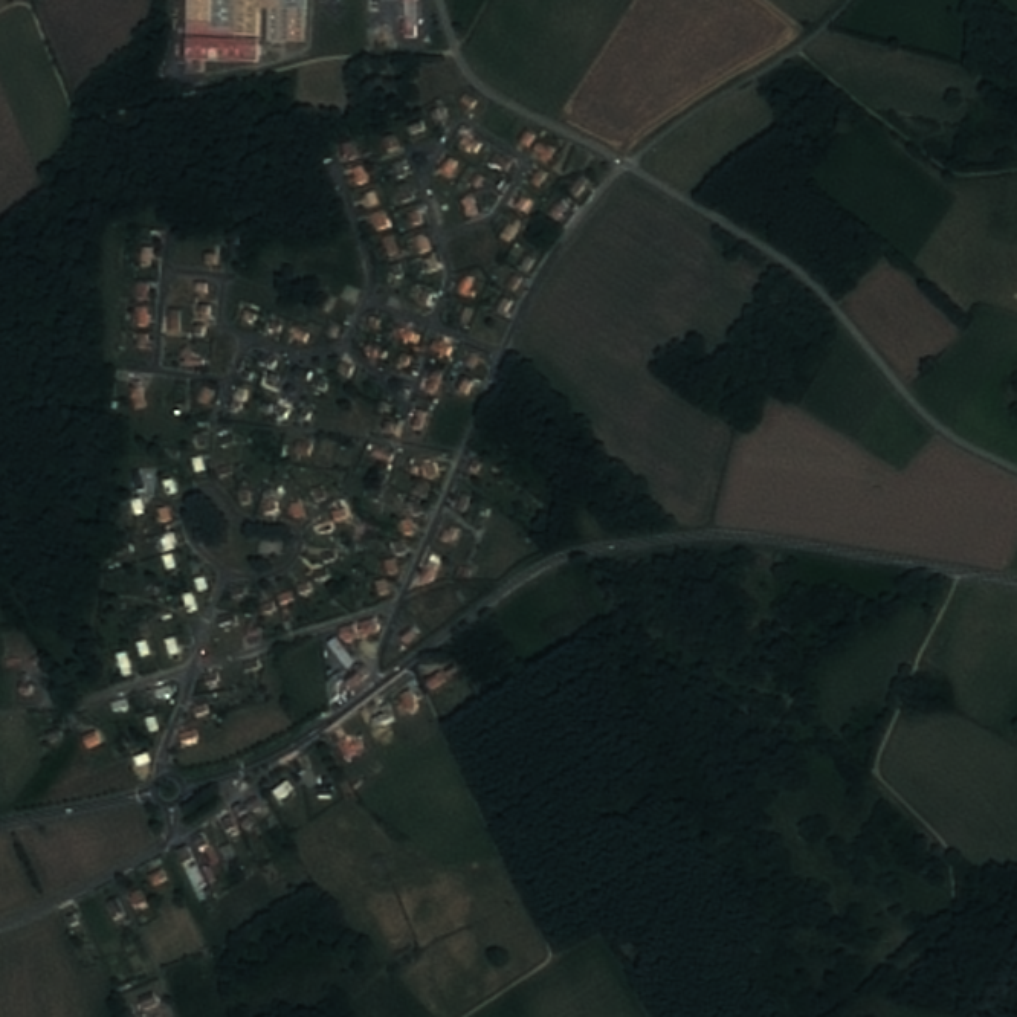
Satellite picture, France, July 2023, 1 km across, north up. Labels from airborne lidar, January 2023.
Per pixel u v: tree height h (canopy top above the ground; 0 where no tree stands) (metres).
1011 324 0
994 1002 25
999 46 17
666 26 0
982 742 0
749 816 6
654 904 24
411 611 0
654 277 0
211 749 0
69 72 0
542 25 0
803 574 0
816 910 18
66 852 0
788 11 0
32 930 0
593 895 21
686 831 19
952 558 0
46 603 22
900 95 0
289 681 0
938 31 0
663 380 8
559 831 22
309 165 18
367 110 22
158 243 7
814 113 17
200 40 0
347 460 0
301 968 0
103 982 0
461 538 0
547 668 24
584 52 0
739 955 25
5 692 0
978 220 0
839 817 0
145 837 0
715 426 0
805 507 0
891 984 13
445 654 16
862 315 0
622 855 25
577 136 0
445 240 0
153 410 0
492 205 0
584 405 0
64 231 10
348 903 0
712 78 0
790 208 19
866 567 0
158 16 15
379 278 0
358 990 0
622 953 17
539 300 0
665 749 12
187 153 15
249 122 13
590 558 11
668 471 0
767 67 0
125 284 0
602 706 23
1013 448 0
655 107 0
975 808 0
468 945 0
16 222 18
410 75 16
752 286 0
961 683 0
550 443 21
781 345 17
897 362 0
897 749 0
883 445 0
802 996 6
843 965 6
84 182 16
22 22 0
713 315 0
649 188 0
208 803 8
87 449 20
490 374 0
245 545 0
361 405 0
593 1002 0
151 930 0
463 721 21
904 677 12
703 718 18
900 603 16
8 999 0
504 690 21
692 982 25
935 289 22
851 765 8
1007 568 0
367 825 0
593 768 22
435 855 0
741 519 0
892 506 0
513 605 0
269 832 6
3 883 0
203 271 0
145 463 0
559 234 8
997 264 0
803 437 0
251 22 0
